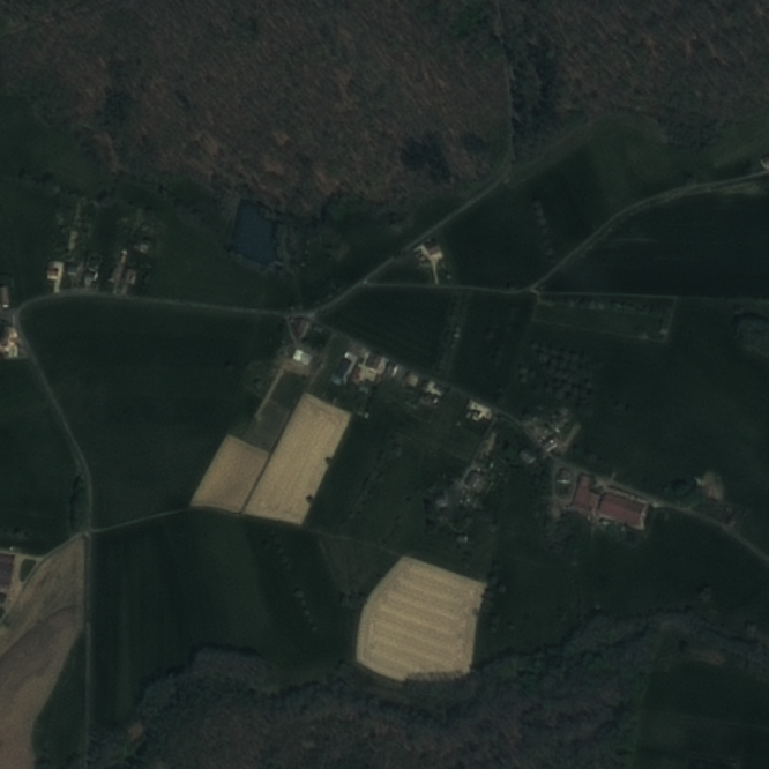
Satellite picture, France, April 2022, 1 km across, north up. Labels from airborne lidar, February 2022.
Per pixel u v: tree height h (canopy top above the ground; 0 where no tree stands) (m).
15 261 0
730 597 0
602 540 0
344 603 14
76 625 0
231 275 0
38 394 0
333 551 0
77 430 0
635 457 0
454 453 0
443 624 0
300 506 0
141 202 0
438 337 0
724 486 0
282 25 23
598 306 7
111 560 0
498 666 25
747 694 0
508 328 6
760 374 0
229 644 0
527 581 0
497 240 0
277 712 20
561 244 0
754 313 0
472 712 27
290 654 0
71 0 25
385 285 0
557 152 0
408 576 0
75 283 0
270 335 0
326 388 0
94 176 0
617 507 0
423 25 23
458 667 0
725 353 0
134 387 0
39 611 0
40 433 0
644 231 0
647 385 0
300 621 0
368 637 0
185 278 0
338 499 0
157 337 0
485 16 24
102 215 0
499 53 25
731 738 0
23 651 0
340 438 0
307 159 24
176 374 0
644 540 0
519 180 0
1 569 0
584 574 0
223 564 0
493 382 0
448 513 15
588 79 29
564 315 0
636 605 0
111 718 0
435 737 27
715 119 11
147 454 0
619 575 0
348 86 0
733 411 0
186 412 0
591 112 19
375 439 0
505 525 0
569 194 0
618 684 29
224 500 0
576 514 7
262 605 0
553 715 16
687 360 0
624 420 0
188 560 0
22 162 0
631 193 0
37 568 0
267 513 0
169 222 0
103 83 21
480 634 0
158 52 19
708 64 25
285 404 0
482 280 0
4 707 0
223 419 0
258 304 0
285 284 0
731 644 18
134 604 0
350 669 12
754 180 0
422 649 0
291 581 0
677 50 29
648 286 0
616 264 0
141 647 0
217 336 0
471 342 0
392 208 18
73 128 15
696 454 0
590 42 28
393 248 0
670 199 0
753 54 27
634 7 29
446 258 0
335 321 0
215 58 22
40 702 0
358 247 0
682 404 0
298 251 0
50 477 0
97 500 0
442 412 0
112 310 0
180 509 0
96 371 0
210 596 0
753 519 0
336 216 25
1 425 0
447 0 22
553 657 19
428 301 0
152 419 0
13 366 0
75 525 18
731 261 0
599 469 0
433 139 21
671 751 0
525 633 0
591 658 22
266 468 0
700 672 0
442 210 0
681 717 0
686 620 21
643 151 0
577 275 0
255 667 32
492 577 9
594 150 0
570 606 0
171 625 0
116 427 0
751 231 0
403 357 0
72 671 0
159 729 31
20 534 11
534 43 29
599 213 0
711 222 0
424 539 0
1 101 0
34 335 0
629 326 0
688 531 0
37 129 0
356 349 0
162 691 27
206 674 34
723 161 0
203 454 0
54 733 0
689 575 0
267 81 23
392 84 20
